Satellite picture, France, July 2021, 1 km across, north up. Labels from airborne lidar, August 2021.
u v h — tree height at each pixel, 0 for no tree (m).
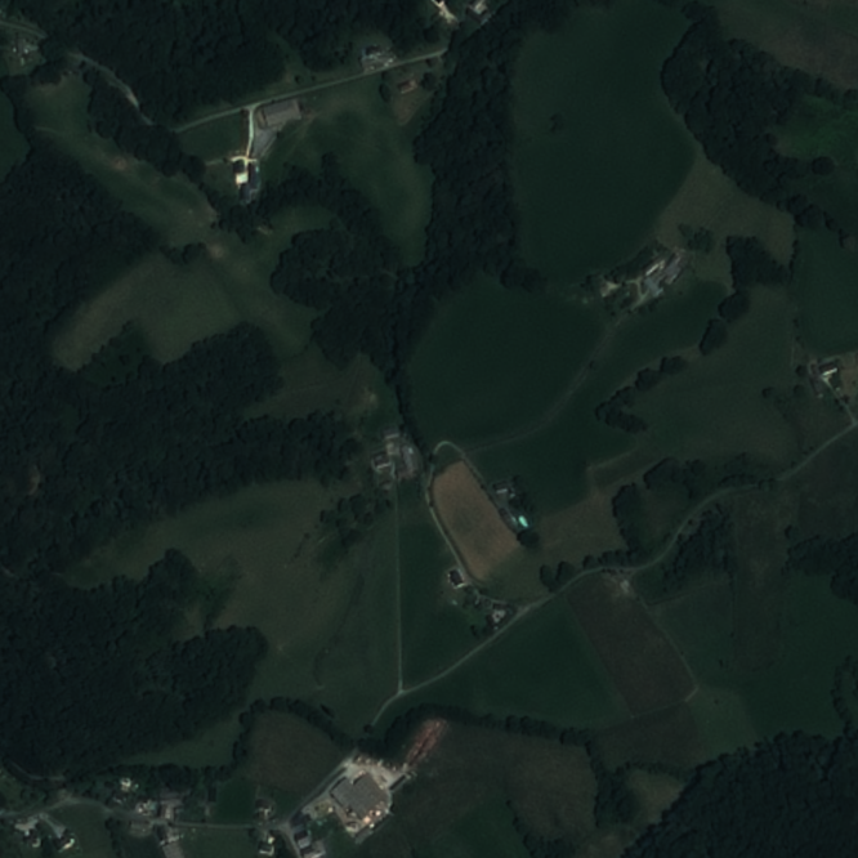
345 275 25
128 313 0
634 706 0
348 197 24
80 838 0
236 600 0
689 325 0
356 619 0
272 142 0
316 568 0
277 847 9
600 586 0
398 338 27
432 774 0
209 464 31
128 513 20
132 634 30
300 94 0
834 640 0
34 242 21
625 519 25
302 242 24
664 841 30
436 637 0
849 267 0
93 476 28
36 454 21
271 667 0
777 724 0
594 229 0
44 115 0
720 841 23
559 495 0
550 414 0
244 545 0
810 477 0
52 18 20
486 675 0
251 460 21
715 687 0
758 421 0
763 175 33
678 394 0
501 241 24
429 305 29
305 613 0
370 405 0
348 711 0
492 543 0
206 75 19
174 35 28
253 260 0
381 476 0
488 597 7
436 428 0
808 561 13
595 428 0
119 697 26
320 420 25
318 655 0
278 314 0
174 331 0
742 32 0
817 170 18
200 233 0
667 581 14
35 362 16
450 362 0
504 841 0
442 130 23
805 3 6
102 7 17
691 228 10
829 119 0
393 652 0
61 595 24
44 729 30
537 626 0
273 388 27
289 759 0
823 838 25
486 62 18
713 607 0
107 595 26
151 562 0
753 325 0
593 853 0
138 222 17
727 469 9
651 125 0
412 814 0
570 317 0
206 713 27
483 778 0
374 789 0
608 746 0
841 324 0
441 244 30
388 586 0
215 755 0
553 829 0
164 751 12
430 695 0
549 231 0
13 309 12
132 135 19
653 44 0
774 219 0
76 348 0
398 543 0
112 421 10
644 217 0
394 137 0
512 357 0
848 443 0
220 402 29
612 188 0
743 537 0
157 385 25
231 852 0
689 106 22
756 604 0
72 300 9
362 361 0
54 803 10
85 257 14
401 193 0
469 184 30
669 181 0
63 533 33
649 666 0
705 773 28
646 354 0
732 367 0
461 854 0
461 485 0
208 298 0
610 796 7
